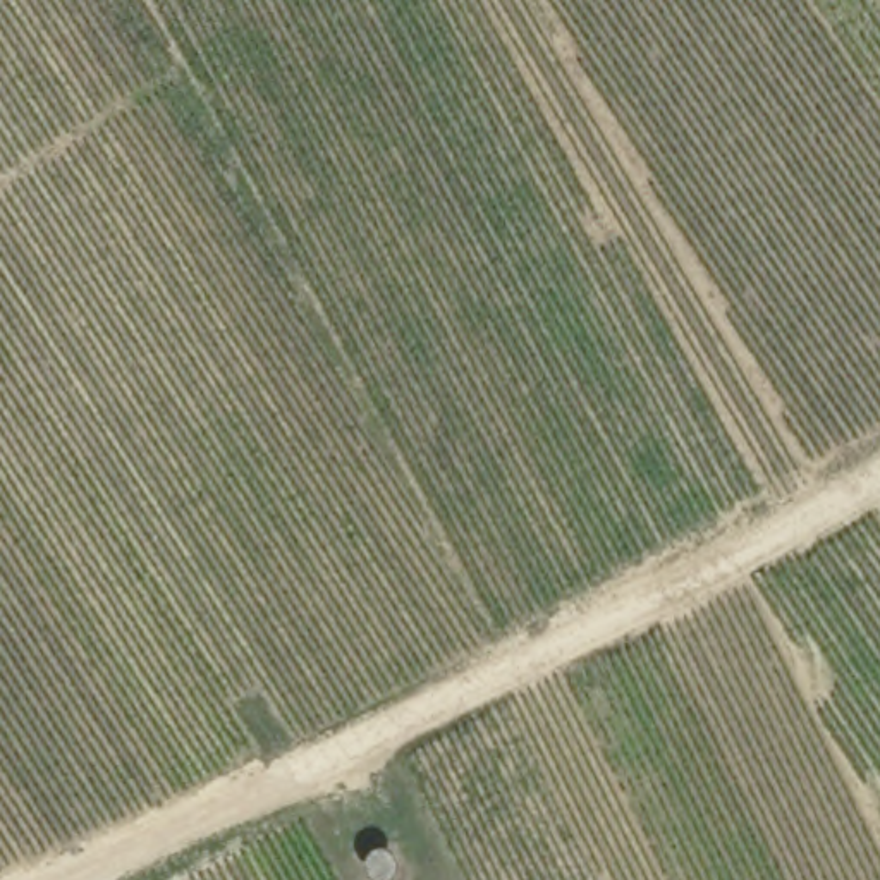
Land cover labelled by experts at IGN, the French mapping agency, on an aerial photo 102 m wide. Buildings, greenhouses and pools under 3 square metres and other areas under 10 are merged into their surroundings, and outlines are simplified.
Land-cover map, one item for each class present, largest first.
<instances>
[{"label":"vineyard","instance_id":"1","mask_svg":"<svg viewBox=\"0 0 880 880\"><path fill-rule=\"evenodd\" d=\"M880 454V0H0V873L17 863H34L45 853H79L83 835L89 832L134 818L144 808H162L175 794H186L251 760L272 763L289 749L313 746L354 725L358 718H368L419 694L430 684H443L474 667L481 646L505 639L509 633L543 636L560 602H571L612 581L622 567L643 560L650 571H663L688 553H698V547L712 543L715 536L739 540L763 516H777L791 505L822 495L828 481H835L846 471H856L859 464ZM124 880H880V505L818 536L808 550H794L773 564L756 567L749 581H743L732 591H722L688 619L646 626L636 636H626L612 646L571 660L564 670H553L550 677L529 688L505 691L450 718L447 725H437L402 743L388 756V763L378 773H371L364 791L337 784L330 794H316L275 808L268 815L248 818L241 825H230L217 835L196 839L186 849Z\"/></svg>","mask_w":880,"mask_h":880},{"label":"pervious surface","instance_id":"2","mask_svg":"<svg viewBox=\"0 0 880 880\"><path fill-rule=\"evenodd\" d=\"M880 505V454L859 464L856 471H846L835 481H828L822 495L791 505L777 516H763L739 540L715 536L712 543L698 547V553H688L663 571H650L643 560L622 567L612 581L571 602H560L543 636L509 633L505 639L481 646L474 667L443 684H430L419 694L368 718H358L354 725L313 746L289 749L272 763L251 760L186 794H175L162 808H144L134 818L89 832L83 835L79 853H45L34 863H17L0 873V880H124L186 849L196 839L217 835L230 825H241L248 818L268 815L275 808L316 794H330L337 784L364 791L371 773H378L388 763V756L402 743L437 725H447L450 718L505 691L529 688L550 677L553 670H564L571 660L612 646L626 636H636L646 626L688 619L722 591H732L743 581H749L756 567L773 564L794 550H808L818 536Z\"/></svg>","mask_w":880,"mask_h":880}]
</instances>
